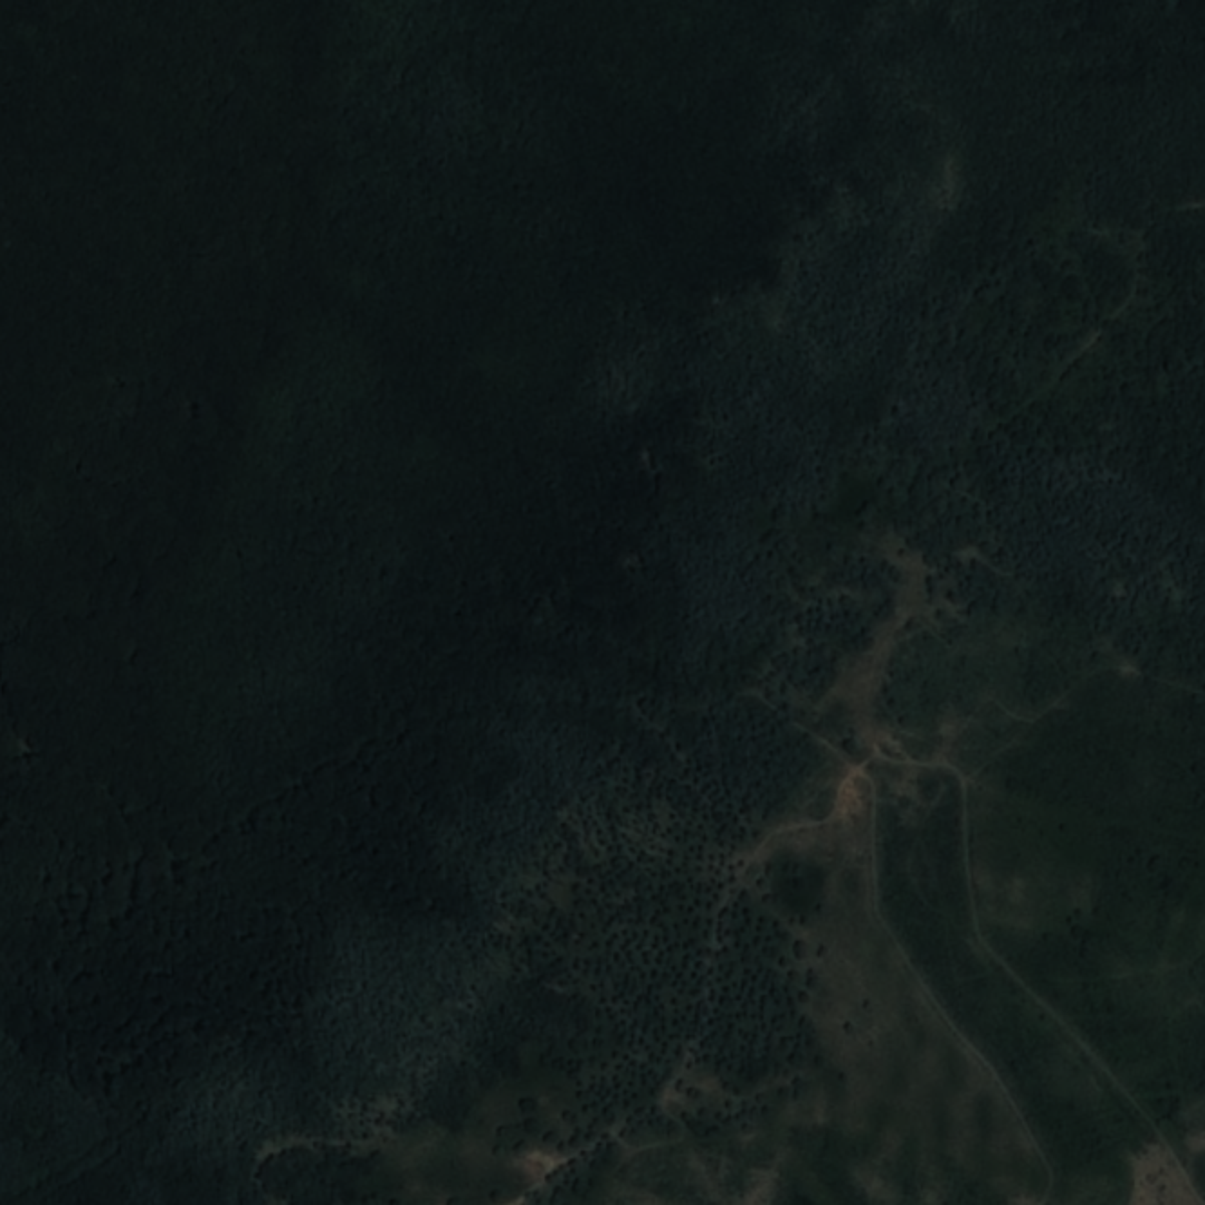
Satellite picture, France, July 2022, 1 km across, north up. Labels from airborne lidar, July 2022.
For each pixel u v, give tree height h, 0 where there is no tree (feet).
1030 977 0
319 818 73
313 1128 45
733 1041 24
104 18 84
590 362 45
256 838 63
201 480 124
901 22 21
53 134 91
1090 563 47
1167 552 36
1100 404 22
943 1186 0
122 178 81
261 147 108
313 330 51
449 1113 39
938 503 35
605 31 49
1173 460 48
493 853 46
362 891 50
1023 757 0
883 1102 0
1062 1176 0
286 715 69
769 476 44
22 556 98
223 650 62
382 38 35
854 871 0
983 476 22
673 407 36
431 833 35
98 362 89
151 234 92
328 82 49
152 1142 40
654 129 57
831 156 26
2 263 91
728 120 34
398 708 55
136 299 92
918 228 23
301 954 46
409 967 25
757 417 31
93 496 92
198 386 115
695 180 49
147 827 115
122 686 116
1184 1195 0
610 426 35
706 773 47
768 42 27
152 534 111
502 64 38
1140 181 33
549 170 35
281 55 89
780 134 26
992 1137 0
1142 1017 0
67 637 111
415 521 55
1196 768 26
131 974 96
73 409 89
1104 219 36
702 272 46
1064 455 41
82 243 83
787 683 23
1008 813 0
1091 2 40
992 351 17
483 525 58
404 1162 0
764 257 36
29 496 75
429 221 34
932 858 0
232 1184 36
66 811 67
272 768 65
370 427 48
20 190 87
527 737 47
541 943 43
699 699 36
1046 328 32
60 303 87
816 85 25
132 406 71
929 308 39
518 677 51
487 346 54
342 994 36
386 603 47
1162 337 33
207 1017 71
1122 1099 0
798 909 0
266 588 52
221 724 53
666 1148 0
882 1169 0
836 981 0
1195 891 0
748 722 27
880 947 0
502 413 54
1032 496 28
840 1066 0
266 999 59
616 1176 0
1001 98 25
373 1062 26
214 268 87
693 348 25
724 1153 0
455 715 47
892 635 0
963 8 26
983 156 22
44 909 60
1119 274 32
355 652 43
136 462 89
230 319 102
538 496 59
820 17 20
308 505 41
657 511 50
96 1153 31
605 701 51
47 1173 21
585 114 53
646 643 49
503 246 39
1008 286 21
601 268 43
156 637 95
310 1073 39
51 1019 92
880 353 21
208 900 62
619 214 52
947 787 0
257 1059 48
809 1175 0
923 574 0
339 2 34
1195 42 33
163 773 94
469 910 37
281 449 44
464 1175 0
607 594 71
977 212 28
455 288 49
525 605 53
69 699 103
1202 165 26
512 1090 0
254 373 88
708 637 39
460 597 54
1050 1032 0
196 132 84
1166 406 27
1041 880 0
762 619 39
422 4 27
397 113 30
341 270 46
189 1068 47
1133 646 22
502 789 48
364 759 60
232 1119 33
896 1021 0
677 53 34
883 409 42
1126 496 43
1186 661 21
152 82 75
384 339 68
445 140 26
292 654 47
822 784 0
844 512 0
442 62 36
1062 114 29
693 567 48
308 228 78
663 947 35
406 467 52
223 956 77
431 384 64
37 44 93
